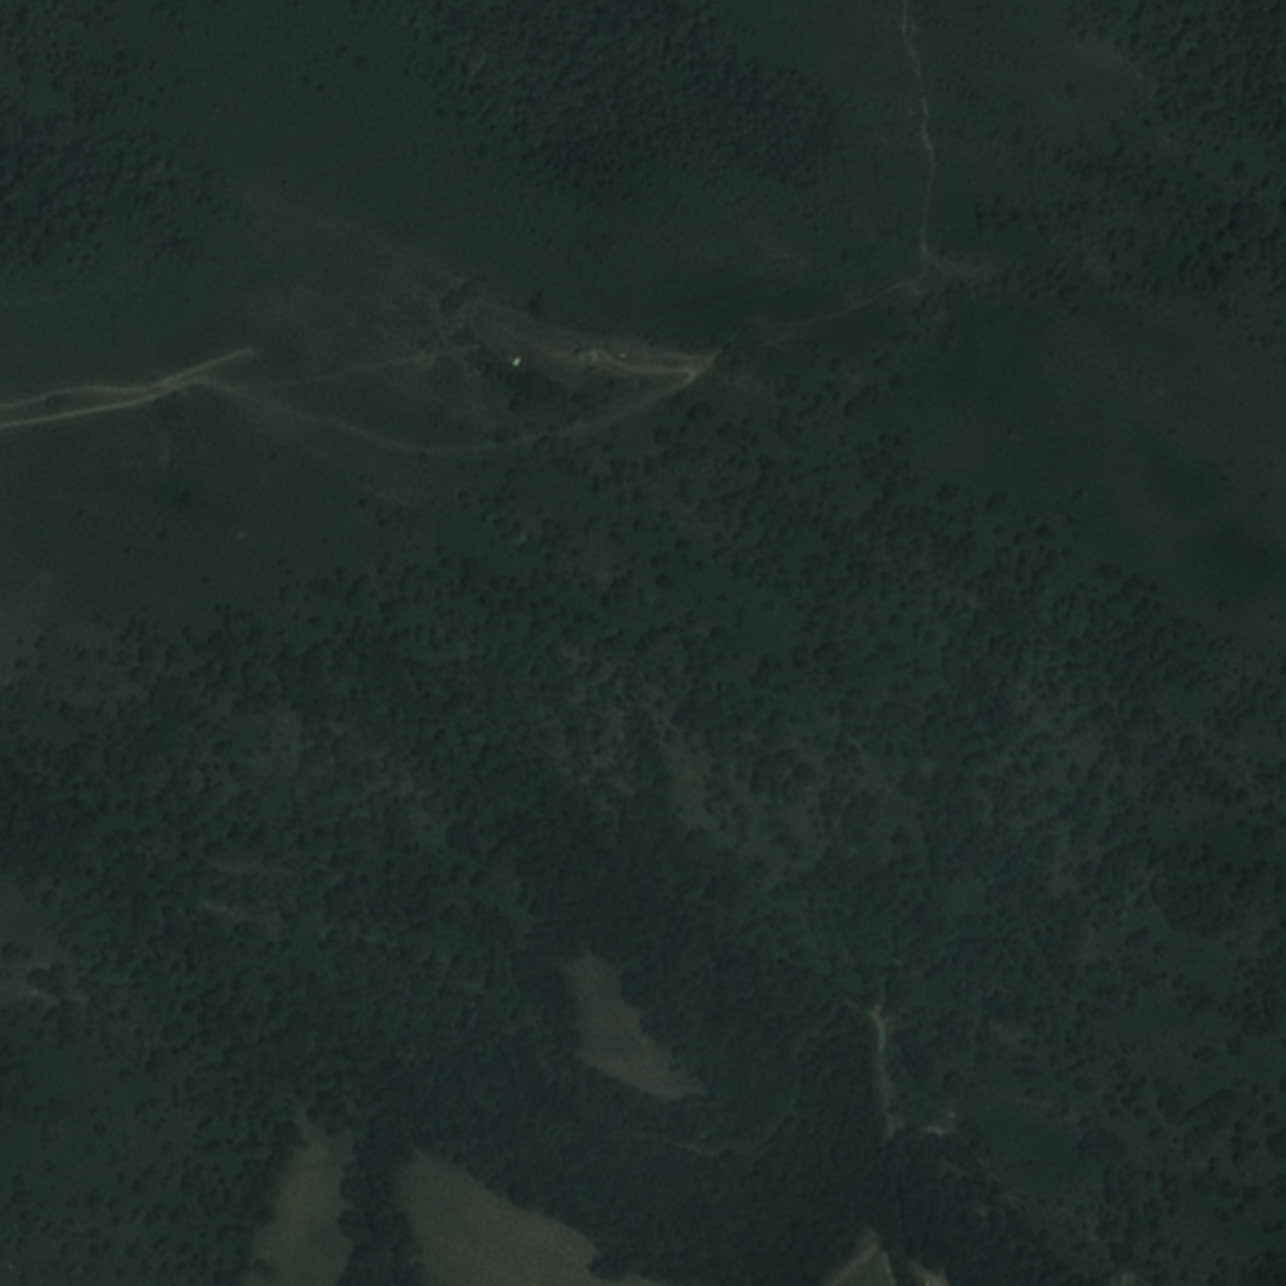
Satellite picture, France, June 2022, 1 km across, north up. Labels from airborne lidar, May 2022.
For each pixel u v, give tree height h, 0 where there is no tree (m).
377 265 0
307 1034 21
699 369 0
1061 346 0
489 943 12
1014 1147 0
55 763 10
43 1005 9
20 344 0
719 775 10
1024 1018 15
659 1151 13
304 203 0
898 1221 16
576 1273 0
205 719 11
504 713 15
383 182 0
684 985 18
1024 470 0
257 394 0
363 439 0
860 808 11
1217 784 8
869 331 0
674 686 12
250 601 0
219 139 0
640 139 6
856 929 21
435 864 7
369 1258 24
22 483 0
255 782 13
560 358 0
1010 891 15
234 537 0
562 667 12
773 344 0
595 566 0
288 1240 0
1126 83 0
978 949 16
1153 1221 11
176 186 10
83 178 15
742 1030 18
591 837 20
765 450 7
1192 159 9
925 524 11
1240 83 13
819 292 0
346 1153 0
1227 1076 0
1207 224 10
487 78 15
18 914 0
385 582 8
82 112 11
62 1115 11
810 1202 15
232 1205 17
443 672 14
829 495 9
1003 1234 16
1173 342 0
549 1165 15
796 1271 23
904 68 0
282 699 10
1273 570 0
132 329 0
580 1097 11
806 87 8
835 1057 13
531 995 12
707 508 9
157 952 16
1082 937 9
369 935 17
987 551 8
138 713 12
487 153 9
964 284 8
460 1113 23
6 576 0
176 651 10
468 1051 16
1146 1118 11
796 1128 11
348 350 0
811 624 9
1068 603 7
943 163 0
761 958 20
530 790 16
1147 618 10
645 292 0
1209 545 0
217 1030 19
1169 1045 0
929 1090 14
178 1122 0
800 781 13
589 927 16
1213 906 12
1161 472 0
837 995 16
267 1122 12
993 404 0
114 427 0
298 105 0
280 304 0
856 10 0
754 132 10
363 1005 16
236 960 20
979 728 10
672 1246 14
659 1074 0
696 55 8
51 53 6
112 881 13
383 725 15
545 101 15
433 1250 0
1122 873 15
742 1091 15
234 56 0
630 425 0
